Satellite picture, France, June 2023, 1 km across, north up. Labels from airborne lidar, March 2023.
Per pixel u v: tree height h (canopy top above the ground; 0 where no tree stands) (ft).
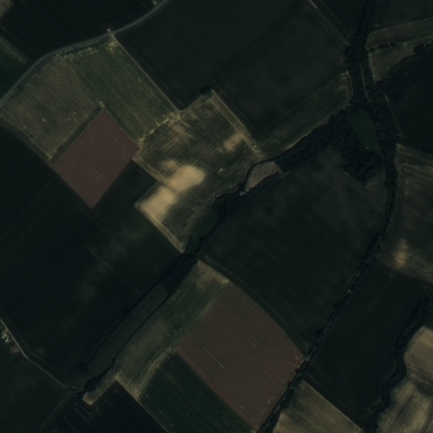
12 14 0
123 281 0
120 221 0
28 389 0
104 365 0
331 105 0
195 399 0
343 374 0
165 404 0
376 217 0
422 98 0
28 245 0
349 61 39
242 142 0
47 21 0
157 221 0
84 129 0
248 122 0
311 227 0
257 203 0
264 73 0
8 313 0
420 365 0
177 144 0
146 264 0
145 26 0
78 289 0
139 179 0
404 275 0
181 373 0
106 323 0
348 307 0
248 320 0
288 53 0
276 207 0
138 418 0
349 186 0
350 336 0
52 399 0
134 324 0
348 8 0
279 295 0
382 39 0
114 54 0
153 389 0
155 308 0
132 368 0
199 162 0
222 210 25
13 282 0
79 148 0
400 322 0
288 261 0
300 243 0
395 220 0
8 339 0
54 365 0
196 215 0
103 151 0
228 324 0
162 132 0
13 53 0
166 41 0
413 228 0
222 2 0
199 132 0
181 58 0
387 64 0
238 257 0
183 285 0
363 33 53
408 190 0
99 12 0
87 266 0
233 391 0
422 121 0
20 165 0
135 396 0
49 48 0
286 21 0
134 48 0
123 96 0
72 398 0
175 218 0
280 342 0
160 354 0
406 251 0
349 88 0
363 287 0
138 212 0
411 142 0
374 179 0
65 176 0
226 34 0
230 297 0
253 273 0
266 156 0
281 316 0
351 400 0
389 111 0
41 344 0
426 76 0
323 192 0
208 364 0
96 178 0
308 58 0
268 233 0
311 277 0
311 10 0
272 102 0
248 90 0
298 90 0
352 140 46
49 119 0
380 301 0
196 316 0
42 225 0
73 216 0
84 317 0
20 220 0
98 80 0
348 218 0
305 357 0
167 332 0
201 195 0
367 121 0
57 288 0
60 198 0
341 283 0
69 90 0
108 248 0
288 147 0
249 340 0
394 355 19
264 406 0
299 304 0
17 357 0
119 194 0
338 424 0
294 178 0
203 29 0
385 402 28
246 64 0
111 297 0
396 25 0
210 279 0
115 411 0
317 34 0
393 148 53
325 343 0
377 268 0
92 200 0
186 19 0
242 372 0
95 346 0
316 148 24
